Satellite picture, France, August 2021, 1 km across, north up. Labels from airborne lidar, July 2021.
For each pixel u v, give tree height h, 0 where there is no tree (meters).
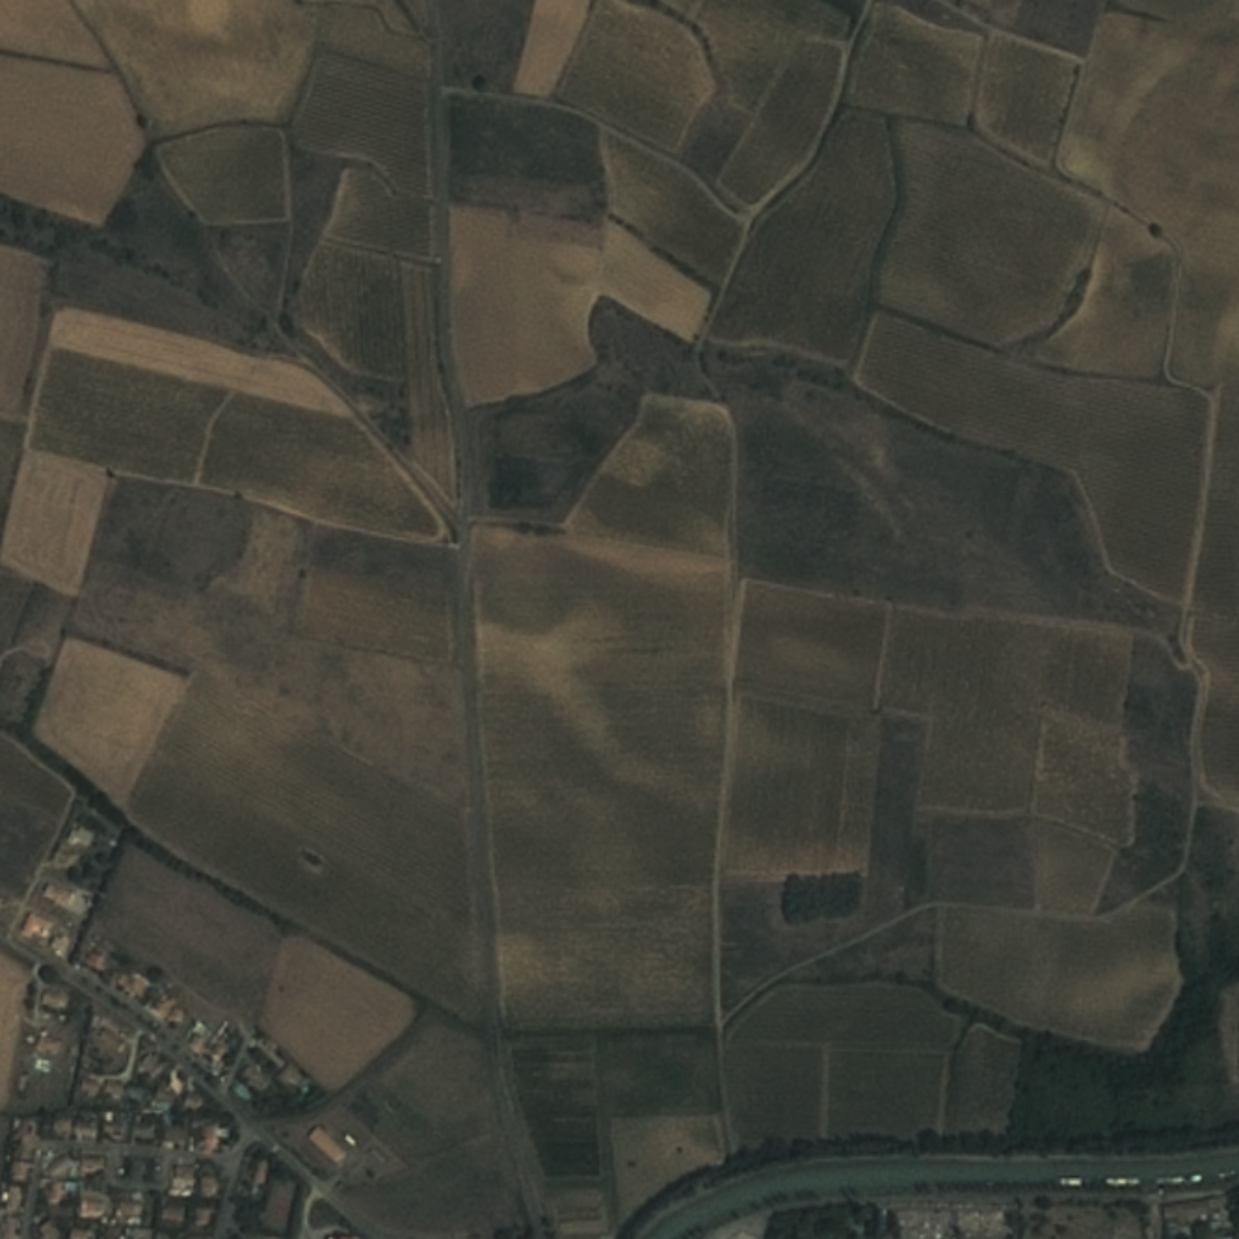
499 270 0
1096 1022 0
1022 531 0
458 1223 0
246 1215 11
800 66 0
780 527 0
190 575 0
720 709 0
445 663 0
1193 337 0
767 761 0
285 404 0
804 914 13
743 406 0
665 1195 8
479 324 0
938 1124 0
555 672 0
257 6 0
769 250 0
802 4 0
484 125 0
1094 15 0
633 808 0
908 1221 0
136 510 0
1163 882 0
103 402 0
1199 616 0
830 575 0
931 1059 0
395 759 0
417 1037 0
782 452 0
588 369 0
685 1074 0
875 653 0
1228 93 0
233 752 0
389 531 0
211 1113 7
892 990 0
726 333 0
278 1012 0
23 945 0
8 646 0
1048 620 0
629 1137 0
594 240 0
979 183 0
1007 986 0
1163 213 0
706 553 0
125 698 0
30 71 0
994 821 0
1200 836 0
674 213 0
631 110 0
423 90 0
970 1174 0
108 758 0
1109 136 0
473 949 0
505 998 0
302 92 0
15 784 0
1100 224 0
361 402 0
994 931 0
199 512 0
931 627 0
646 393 0
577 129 0
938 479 0
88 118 0
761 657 0
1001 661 0
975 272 0
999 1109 0
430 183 0
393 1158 0
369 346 0
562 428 0
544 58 0
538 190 0
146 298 0
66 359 0
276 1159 6
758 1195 0
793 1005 0
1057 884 0
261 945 0
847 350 0
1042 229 0
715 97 0
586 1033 0
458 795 0
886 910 0
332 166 0
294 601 0
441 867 0
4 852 0
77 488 0
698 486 0
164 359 0
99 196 0
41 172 0
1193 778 0
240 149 0
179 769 0
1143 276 0
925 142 0
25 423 0
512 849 0
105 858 10
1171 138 0
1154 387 0
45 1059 0
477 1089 0
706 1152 0
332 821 0
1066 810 0
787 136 0
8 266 0
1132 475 0
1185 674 0
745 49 0
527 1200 0
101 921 0
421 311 0
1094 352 0
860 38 0
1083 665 0
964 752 0
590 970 0
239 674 0
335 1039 0
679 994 0
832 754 0
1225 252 0
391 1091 0
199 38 0
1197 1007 10
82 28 0
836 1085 0
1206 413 0
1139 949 0
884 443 0
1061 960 0
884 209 0
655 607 0
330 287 0
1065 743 0
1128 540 0
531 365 0
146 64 0
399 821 0
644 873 0
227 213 0
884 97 0
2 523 0
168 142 0
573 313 0
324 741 0
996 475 0
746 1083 0
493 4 0
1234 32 0
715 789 0
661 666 0
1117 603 0
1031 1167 0
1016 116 0
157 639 0
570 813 0
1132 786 0
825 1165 0
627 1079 0
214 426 0
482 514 0
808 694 0
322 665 0
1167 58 0
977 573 0
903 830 0
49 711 0
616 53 0
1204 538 0
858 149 0
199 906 0
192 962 0
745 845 0
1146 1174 0
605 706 0
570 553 0
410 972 0
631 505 0
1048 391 0
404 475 0
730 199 0
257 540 0
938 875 0
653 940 0
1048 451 0
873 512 0
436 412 0
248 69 0
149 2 0
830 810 0
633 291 0
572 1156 0
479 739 0
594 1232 0
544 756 0
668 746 0
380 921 0
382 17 0
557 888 0
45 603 0
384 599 0
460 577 0
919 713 0
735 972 0
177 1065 0
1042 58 0
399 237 0
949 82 0
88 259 0
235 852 0
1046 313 0
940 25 0
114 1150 0
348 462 0
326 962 0
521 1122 0
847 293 0
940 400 0
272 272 0
